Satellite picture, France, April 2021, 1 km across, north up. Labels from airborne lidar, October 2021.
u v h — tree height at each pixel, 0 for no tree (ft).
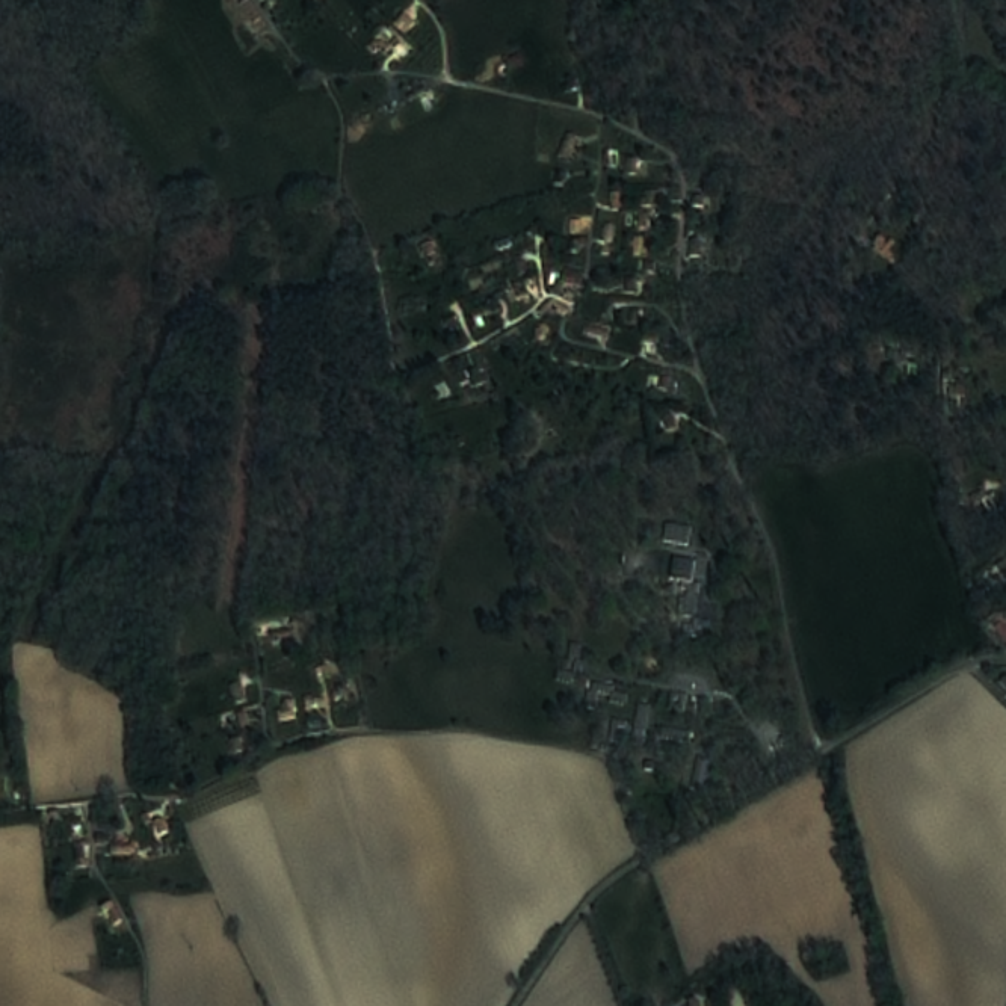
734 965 47
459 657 0
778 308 55
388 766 0
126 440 26
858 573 0
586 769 0
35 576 69
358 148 0
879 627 0
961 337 67
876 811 0
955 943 0
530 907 0
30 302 0
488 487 51
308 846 0
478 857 0
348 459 67
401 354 64
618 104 22
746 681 56
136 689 72
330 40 0
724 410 52
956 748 0
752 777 54
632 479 59
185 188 44
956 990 0
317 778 0
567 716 63
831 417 54
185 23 0
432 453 58
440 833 0
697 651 68
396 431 60
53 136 61
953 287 78
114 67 0
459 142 0
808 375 80
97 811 31
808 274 25
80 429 0
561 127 0
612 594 63
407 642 56
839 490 0
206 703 0
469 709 0
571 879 0
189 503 53
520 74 0
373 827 0
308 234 0
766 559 55
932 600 0
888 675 0
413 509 46
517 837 0
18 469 65
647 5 59
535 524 80
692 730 43
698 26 53
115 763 0
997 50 30
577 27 50
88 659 86
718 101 57
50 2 75
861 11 49
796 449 70
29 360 0
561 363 24
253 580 74
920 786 0
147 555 58
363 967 0
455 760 0
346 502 49
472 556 0
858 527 0
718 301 54
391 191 0
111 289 0
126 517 54
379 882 0
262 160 0
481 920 0
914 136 46
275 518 52
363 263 63
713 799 66
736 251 44
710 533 22
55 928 0
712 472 66
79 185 43
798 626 0
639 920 0
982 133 48
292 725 0
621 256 21
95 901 0
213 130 0
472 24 0
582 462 27
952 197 44
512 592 0
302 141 0
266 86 0
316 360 75
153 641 78
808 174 61
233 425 66
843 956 45
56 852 0
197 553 62
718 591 60
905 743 0
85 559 35
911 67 53
